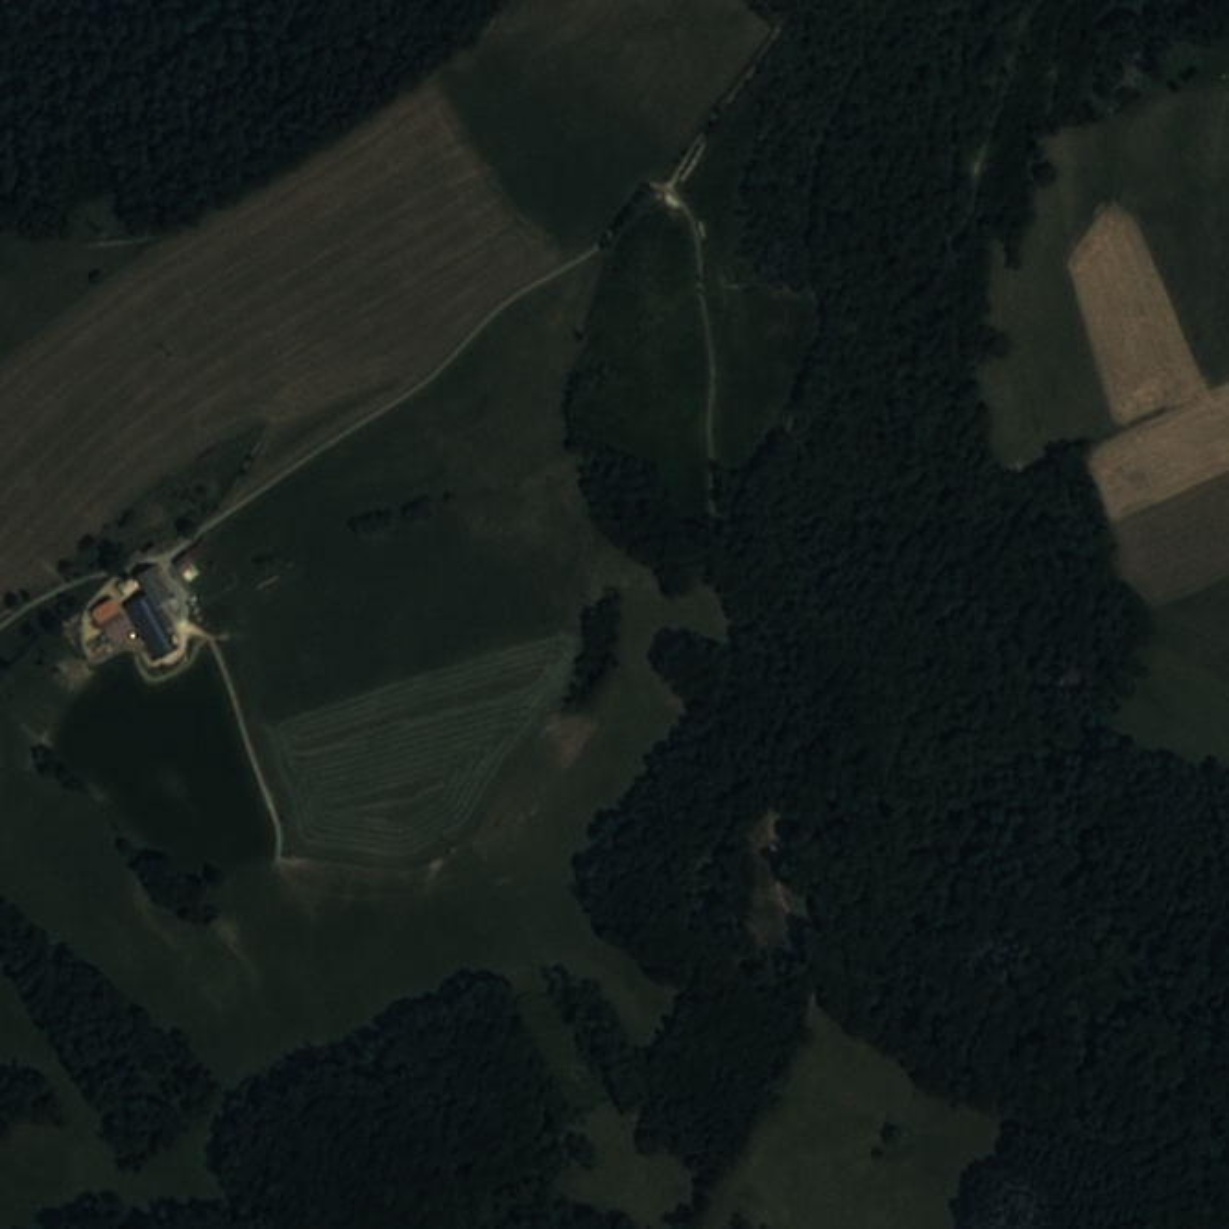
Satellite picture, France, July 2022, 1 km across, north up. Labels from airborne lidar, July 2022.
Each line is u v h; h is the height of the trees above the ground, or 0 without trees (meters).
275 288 0
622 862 26
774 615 21
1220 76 0
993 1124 0
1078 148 0
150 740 0
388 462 0
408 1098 37
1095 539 19
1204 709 0
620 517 17
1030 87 8
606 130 0
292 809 0
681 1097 17
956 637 30
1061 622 32
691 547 26
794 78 13
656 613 0
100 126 26
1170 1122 33
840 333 20
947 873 35
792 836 32
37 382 0
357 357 0
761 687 28
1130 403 0
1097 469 0
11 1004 0
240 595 0
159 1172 0
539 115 0
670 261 0
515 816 0
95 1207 20
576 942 0
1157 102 0
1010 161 6
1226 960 35
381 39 23
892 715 19
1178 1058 29
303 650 0
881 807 6
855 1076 0
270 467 0
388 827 0
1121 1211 26
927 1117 0
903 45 21
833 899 31
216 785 0
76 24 32
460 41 21
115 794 0
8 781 0
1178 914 13
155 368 0
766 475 28
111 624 0
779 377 0
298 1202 28
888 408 26
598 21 0
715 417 0
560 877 0
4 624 0
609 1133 0
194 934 0
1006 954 29
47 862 0
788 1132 0
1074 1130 29
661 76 0
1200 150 0
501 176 0
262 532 0
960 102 30
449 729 0
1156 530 0
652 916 23
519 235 0
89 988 24
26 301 0
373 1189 33
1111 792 31
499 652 0
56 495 0
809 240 28
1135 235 0
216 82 22
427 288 0
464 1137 27
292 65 25
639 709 0
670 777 26
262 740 0
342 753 0
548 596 0
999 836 28
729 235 0
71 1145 0
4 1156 0
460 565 0
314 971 0
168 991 0
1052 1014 27
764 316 0
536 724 0
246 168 23
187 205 21
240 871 0
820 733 17
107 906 0
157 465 0
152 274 0
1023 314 0
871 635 20
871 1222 0
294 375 0
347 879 0
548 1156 31
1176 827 25
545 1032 0
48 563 0
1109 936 34
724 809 31
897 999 32
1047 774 33
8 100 24
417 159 0
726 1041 20
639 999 0
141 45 28
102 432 0
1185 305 0
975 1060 33
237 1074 0
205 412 0
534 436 0
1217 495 0
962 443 29
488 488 0
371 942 0
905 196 24
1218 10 27
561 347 0
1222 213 0
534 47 0
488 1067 30
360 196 0
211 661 0
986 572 22
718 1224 0
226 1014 0
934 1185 0
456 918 0
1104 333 0
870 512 30
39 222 17
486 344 0
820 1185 0
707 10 0
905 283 29
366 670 0
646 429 0
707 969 25
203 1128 0
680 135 0
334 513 0
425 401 0
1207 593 0
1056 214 0
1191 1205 28
